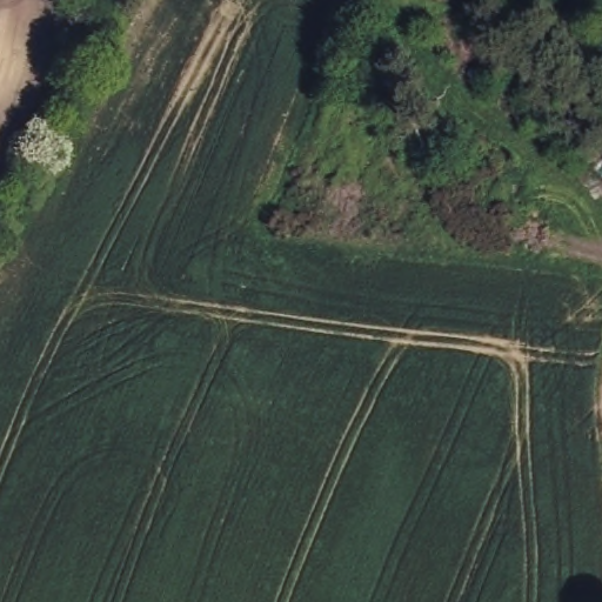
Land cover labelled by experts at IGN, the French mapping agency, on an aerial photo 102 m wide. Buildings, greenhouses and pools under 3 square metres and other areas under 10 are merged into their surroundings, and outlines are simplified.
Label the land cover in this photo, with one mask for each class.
<instances>
[{"label":"agricultural land","instance_id":"1","mask_svg":"<svg viewBox=\"0 0 602 602\"><path fill-rule=\"evenodd\" d=\"M101 31L96 21H89L85 16V12H80L78 16L59 14V0H0V181L9 174L12 160L21 153L19 141L28 122L33 118H42L47 115L49 96L63 78L73 52L80 45H85V40L92 33ZM357 0H129L127 7H122V14L132 16L134 21L127 38L132 80L122 92L108 94V99L99 103V108L92 113L87 132L73 141V162L61 174L66 176L61 193L49 198L47 205L38 212L19 247V254L14 256L12 252H7L5 256H0V602H555L557 590L564 586L569 576L602 574V303L595 296L583 301L576 292L571 275L553 270H515L393 259L348 261L339 245L313 242L306 233L294 238H275L266 230V226L259 221L261 207L252 202L259 174L268 172L266 158L268 148L273 146V136L277 132L282 111L292 113L285 136L296 139L306 122L320 125L322 118V99L317 96V92L325 85V66L317 61V47L327 35L339 33V28L334 26L336 9L343 5H355ZM480 5V0H447V24L452 26L454 38L463 40L466 45L473 42V38L480 33H489L494 28L491 19L475 16V7ZM555 14L564 21H581L586 19V14H597L602 19V0H555Z\"/></svg>","mask_w":602,"mask_h":602},{"label":"coniferous trees","instance_id":"2","mask_svg":"<svg viewBox=\"0 0 602 602\"><path fill-rule=\"evenodd\" d=\"M475 16L491 19L494 28L489 33H480L473 38V42L466 45L463 40L454 38L452 26L447 24L442 45L449 54H454L461 61L463 87L475 89L477 78L482 73L506 71L510 80L499 99L501 108L513 129H520L527 120H536L534 148L539 155L543 153H548V148L557 141H569L576 151H581L588 146L602 155V19L597 14H586V19L581 21H564L555 14V0H480V5L475 7ZM369 82L360 99L364 108H381L383 127L397 132L412 129V136L407 139V167L412 169V179H423L428 158L442 148L444 139L456 136V120L442 111L435 96H423L419 92L421 82L414 75L412 59L402 49H397L395 42L381 38L374 42L367 56ZM21 153L28 162H38L47 172L61 174L73 162V141L66 134L54 132L42 118H33L28 122L19 141ZM320 165L313 162L303 167H287V179L282 181V190L275 200V205L280 207L266 226V230L275 238H294L306 233L313 242L339 245L400 249L404 240L402 233L393 235L390 230L376 228L369 235H362V223L355 214L362 188L353 181L348 179L343 186H334L336 172L325 174L317 169ZM421 200L428 205L430 214L461 245L487 254L515 245L513 233L517 228L508 223L510 212L501 200L477 202L473 186L463 176L454 183L428 186L421 190ZM555 602H602V574L569 576L564 586L557 590Z\"/></svg>","mask_w":602,"mask_h":602},{"label":"herbaceous vegetation","instance_id":"3","mask_svg":"<svg viewBox=\"0 0 602 602\"><path fill-rule=\"evenodd\" d=\"M372 7L369 21L381 33V38L395 42L397 49H402L412 59L414 75L421 82L419 92L423 96H435L442 111L456 120V136L444 139L442 148L428 158L423 179H412V169L407 167V139L412 136V129L397 132L383 127L381 108H364L360 99L341 108V113L348 118V127H353L357 134L372 136L374 148L367 158L360 160L357 176L353 181L362 188L355 214L362 223V235H369L376 228L390 230L393 235L402 233L404 240L400 249L339 245L348 261L393 259L515 270H553L571 275L576 292L583 301L595 296L602 303V268L583 259H550L548 249L534 252L527 245H515L487 254L461 245L430 214L428 205L421 200V190L428 186L454 183L463 176L473 186L477 202L501 200L510 212L508 223L517 228L543 223L550 233H562L578 240H597L602 235V155L588 146L581 151L588 160V169L581 176L569 174L567 167L560 169L543 153L539 155L534 148L536 120H527L520 129H513L501 108L499 99L510 80L506 71L482 73L477 78L475 89L463 87L461 61L454 54H449L442 45L447 24V0H362ZM402 7H423L430 14L428 19H414L409 24V33H402L395 24ZM292 113L282 111L277 132L273 136V146L268 148L266 158L268 172L259 174L252 202L261 207L259 221L266 226L280 207L275 205V200L282 190V181L287 179V167H303L313 162L320 165L332 155L343 153L346 146L334 141L320 146H301L296 139L285 136Z\"/></svg>","mask_w":602,"mask_h":602},{"label":"deciduous trees","instance_id":"4","mask_svg":"<svg viewBox=\"0 0 602 602\"><path fill-rule=\"evenodd\" d=\"M129 0H59V14L78 16L80 12H85V16L89 21H96L101 31L92 33L85 40V45H80L73 52L63 78L49 96L47 115L42 118L54 132L66 134L73 141L87 132L92 113L99 108V103L108 99V94L122 92L132 80L127 38L134 21L132 16L122 14V7H127ZM372 7L362 0H357L355 5H343L336 9L334 26L339 28V33L327 35L317 47V61L325 66V85L317 92V96L322 99V118L320 125L306 122L296 139L301 146H320L334 141L346 146L343 153L332 155L320 165L317 169L325 174L336 172L334 186H343L348 179L353 181L357 176L360 160L367 158L374 148L372 136L357 134L353 127H348V118L341 113V108L360 99L369 82L367 56L374 42L381 38V33L369 21ZM560 169L567 167L569 174L581 176L588 169V160L581 151H576L569 141H557L548 148V153H543ZM66 176L61 174L47 172L38 162H28L21 153L12 160L9 174L0 181V256H5L7 252H12L14 256L19 254V247L38 212L47 205L49 198L61 193Z\"/></svg>","mask_w":602,"mask_h":602},{"label":"pervious surface","instance_id":"5","mask_svg":"<svg viewBox=\"0 0 602 602\"><path fill-rule=\"evenodd\" d=\"M515 245H527L534 252L548 249L550 259H583L602 268V235L597 240H578L562 233H550L543 223L517 228L513 233Z\"/></svg>","mask_w":602,"mask_h":602},{"label":"brushwood","instance_id":"6","mask_svg":"<svg viewBox=\"0 0 602 602\"><path fill-rule=\"evenodd\" d=\"M430 14L423 7H402L395 24L402 33H409V24L414 19H428Z\"/></svg>","mask_w":602,"mask_h":602}]
</instances>
